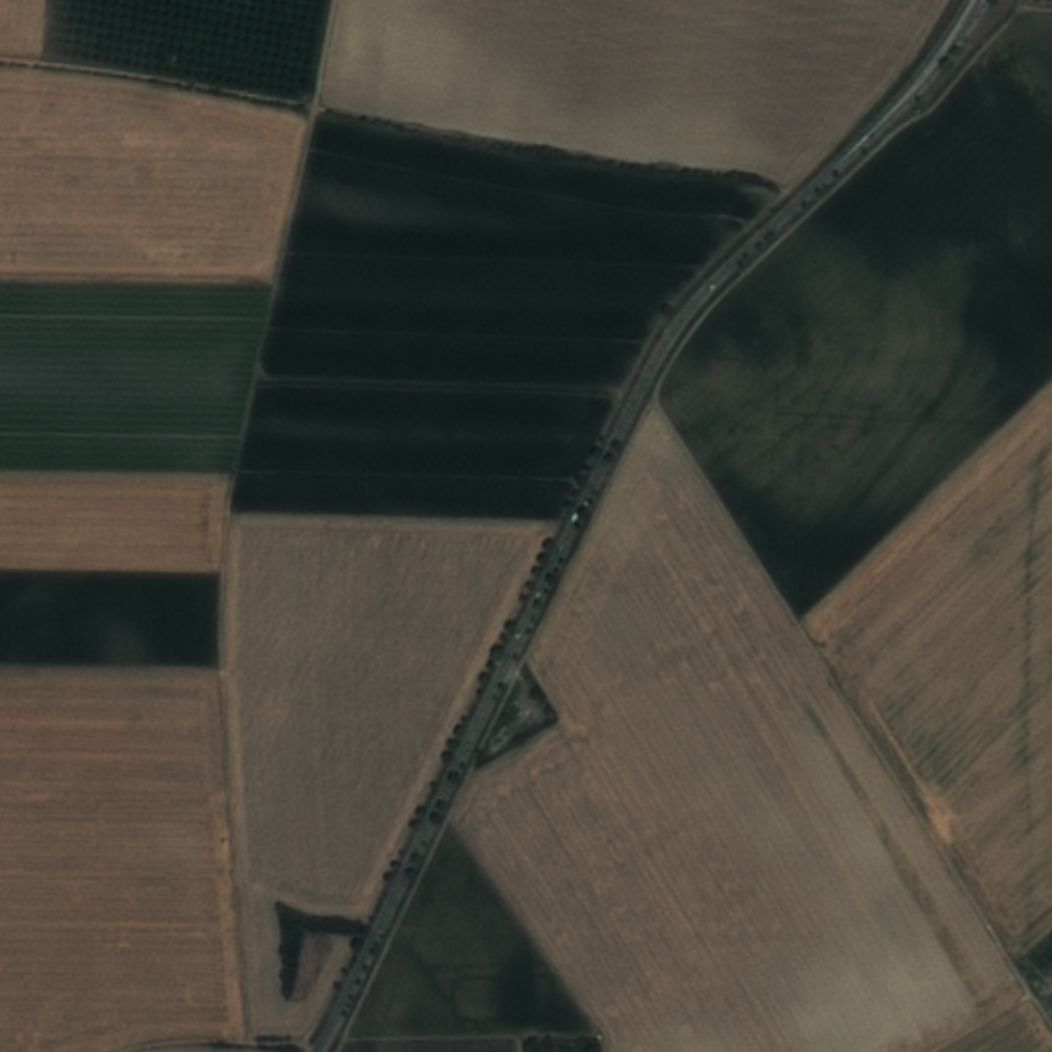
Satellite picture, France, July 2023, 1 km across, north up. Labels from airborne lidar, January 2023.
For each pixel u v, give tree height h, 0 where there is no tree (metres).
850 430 0
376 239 0
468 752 0
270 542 0
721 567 0
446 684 0
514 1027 0
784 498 0
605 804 0
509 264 0
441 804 9
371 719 0
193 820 0
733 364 0
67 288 0
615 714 0
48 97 0
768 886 0
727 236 0
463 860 0
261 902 0
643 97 0
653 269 0
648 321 0
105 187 0
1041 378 0
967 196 0
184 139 0
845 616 0
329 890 0
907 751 0
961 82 0
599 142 0
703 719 0
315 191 0
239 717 0
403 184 0
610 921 0
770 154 0
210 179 0
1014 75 0
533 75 0
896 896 0
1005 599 0
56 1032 0
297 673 0
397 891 0
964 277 0
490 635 0
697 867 0
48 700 0
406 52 0
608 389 0
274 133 0
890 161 0
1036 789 0
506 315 0
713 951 0
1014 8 0
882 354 0
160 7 7
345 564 0
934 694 0
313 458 0
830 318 0
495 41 0
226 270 0
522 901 0
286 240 0
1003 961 0
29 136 0
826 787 0
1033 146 0
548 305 0
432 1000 0
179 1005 0
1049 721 0
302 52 9
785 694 0
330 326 0
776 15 0
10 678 0
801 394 0
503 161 0
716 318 0
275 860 0
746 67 0
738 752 0
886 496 0
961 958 0
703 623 0
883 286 0
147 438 0
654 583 0
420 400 0
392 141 0
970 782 0
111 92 0
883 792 0
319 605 0
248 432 0
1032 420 0
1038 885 0
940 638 0
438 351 0
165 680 0
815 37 0
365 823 0
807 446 0
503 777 0
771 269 0
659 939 0
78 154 0
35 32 0
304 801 0
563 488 0
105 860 0
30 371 0
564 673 0
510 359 0
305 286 0
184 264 0
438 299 0
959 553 0
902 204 0
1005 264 0
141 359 0
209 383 0
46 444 0
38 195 0
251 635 0
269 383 0
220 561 0
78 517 0
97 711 0
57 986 0
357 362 0
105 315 0
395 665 0
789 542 0
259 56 9
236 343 0
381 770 0
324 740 0
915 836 0
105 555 0
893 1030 0
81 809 0
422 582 0
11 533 0
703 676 0
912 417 0
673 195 0
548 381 0
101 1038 0
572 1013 0
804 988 0
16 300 0
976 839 0
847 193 0
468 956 0
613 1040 0
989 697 0
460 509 0
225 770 0
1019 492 0
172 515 0
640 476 0
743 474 0
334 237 0
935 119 0
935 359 0
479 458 0
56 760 0
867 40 0
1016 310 0
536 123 0
